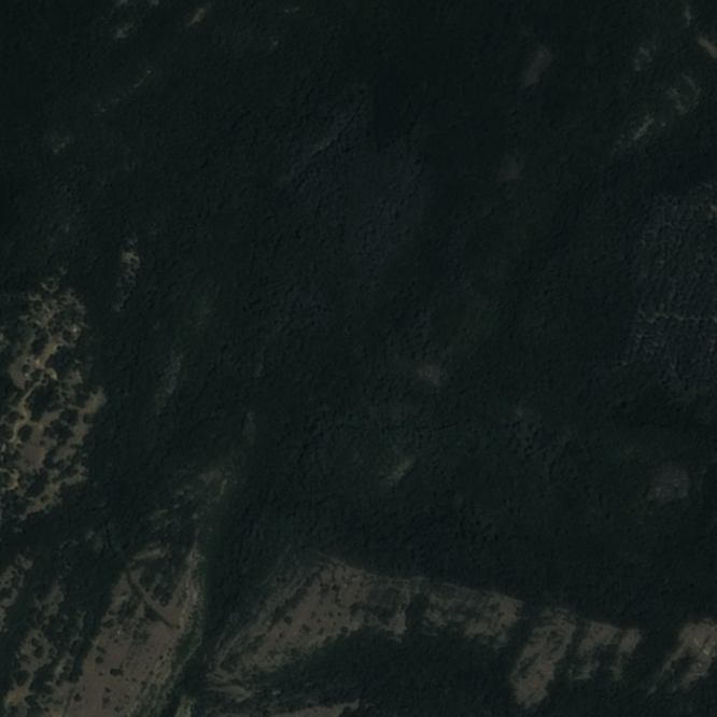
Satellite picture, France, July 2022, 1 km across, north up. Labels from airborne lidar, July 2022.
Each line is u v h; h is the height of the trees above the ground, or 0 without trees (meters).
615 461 15
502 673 9
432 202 20
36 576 13
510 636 5
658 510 7
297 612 0
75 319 8
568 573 21
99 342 12
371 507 11
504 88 12
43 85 14
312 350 18
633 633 0
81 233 18
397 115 10
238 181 16
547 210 21
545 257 28
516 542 18
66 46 18
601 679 11
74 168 16
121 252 16
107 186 17
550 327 20
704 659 0
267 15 13
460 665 16
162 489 7
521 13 16
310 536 9
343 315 18
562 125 14
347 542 12
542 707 11
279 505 12
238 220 14
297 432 25
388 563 6
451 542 20
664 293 19
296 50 18
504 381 22
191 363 8
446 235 17
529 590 11
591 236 19
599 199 18
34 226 19
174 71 15
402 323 18
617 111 15
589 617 8
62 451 0
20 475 7
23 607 11
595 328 15
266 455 14
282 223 14
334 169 18
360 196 25
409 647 9
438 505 19
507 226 14
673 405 5
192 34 12
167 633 0
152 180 15
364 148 23
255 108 20
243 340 13
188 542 7
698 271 15
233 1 13
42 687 8
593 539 17
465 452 10
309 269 18
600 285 15
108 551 13
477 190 18
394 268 15
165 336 7
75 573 11
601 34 19
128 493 15
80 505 17
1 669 9
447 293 17
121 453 11
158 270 17
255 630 0
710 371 12
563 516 18
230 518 8
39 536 11
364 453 6
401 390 12
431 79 11
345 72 13
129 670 0
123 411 13
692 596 23
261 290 20
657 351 19
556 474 12
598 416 21
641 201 15
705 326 20
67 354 12
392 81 15
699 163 24
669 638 9
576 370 16
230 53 17
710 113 19
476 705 12
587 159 16
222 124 21
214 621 8
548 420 13
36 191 21
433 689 19
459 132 19
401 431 21
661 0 9
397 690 13
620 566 20
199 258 13
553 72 15
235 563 11
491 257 18
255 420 11
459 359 15
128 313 17
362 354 12
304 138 17
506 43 15
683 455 8
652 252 10
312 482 12
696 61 9
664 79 10
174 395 8
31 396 7
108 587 8
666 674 7
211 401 13
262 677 9
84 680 0
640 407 8
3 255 12
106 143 13
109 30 9
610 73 19
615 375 14
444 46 12
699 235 14
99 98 8
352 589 0
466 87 14
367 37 11
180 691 6
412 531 20
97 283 17
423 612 6
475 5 11
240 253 18
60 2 25
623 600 15
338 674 9
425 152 15
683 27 8
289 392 19
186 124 14
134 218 16
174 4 11
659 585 24
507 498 15
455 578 9
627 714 16
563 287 17
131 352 10
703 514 8
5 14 11
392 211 17
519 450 19
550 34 14
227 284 10
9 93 18
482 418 19
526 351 22
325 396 16
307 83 25
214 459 7
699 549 21
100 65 11
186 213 21
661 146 20
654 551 14
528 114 14
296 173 7
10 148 19
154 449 9
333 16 15
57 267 8
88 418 9
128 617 7
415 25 13
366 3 8
